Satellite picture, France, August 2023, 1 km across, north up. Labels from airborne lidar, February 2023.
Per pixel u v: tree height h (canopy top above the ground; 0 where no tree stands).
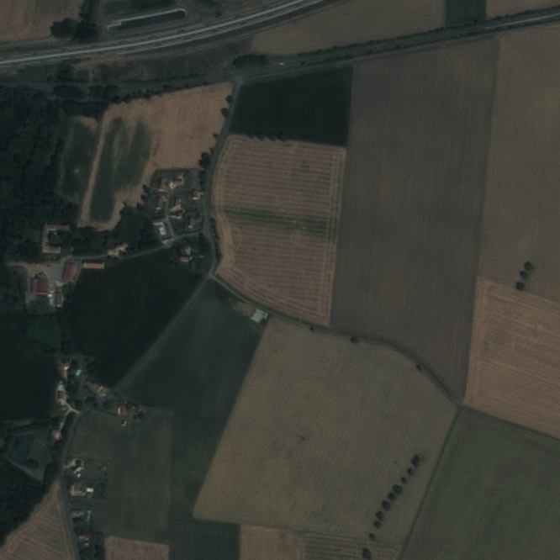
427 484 0
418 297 0
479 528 0
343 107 0
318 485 0
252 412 0
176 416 0
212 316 0
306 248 0
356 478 0
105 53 0
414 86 0
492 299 0
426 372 0
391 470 0
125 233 0
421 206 0
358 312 0
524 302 0
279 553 0
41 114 10
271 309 0
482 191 0
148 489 0
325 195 0
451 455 0
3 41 0
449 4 0
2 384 0
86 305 0
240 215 0
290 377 0
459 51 0
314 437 0
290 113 0
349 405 0
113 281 0
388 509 15
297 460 0
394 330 0
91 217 0
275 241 0
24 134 7
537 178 0
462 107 0
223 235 0
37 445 0
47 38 0
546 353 0
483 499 0
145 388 0
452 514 0
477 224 0
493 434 0
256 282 0
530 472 0
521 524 0
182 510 0
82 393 0
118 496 0
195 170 0
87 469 0
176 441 0
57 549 0
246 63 8
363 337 0
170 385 0
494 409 0
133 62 0
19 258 20
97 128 0
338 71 0
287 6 0
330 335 0
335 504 0
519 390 0
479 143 0
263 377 0
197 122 0
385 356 0
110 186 0
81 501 0
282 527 0
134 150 0
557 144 0
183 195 0
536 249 0
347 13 0
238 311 0
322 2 0
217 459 0
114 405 12
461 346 0
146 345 0
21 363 0
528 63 0
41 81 0
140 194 0
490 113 0
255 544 0
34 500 19
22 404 0
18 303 18
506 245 0
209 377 0
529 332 0
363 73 0
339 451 0
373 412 0
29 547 0
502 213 0
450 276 0
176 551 0
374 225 0
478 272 0
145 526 0
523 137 0
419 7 0
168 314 0
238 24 0
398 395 0
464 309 0
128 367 0
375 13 0
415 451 0
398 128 0
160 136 0
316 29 0
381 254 0
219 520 0
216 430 0
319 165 0
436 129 0
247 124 0
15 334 0
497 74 0
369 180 0
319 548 0
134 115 0
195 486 0
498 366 0
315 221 0
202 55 0
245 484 0
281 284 0
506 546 0
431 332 0
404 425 0
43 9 0
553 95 0
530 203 0
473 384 0
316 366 0
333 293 0
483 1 0
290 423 0
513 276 0
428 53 0
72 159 0
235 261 0
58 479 0
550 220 0
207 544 0
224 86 0
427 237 0
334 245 0
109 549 0
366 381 0
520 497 0
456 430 0
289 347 0
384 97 0
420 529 0
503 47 0
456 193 0
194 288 0
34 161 11
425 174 0
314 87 0
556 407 0
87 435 0
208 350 0
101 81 0
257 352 0
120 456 0
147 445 0
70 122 0
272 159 0
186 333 0
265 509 0
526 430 0
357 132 0
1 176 5
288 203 0
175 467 0
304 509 0
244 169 0
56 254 0
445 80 0
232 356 0
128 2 0
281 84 0
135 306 0
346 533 0
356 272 0
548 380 0
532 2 0
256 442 0
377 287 0
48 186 23
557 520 0
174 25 0
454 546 0
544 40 0
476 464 0
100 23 0
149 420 0
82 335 0
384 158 0
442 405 0
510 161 0
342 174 0
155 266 0
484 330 0
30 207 21
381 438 0
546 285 0
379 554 0
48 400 0
